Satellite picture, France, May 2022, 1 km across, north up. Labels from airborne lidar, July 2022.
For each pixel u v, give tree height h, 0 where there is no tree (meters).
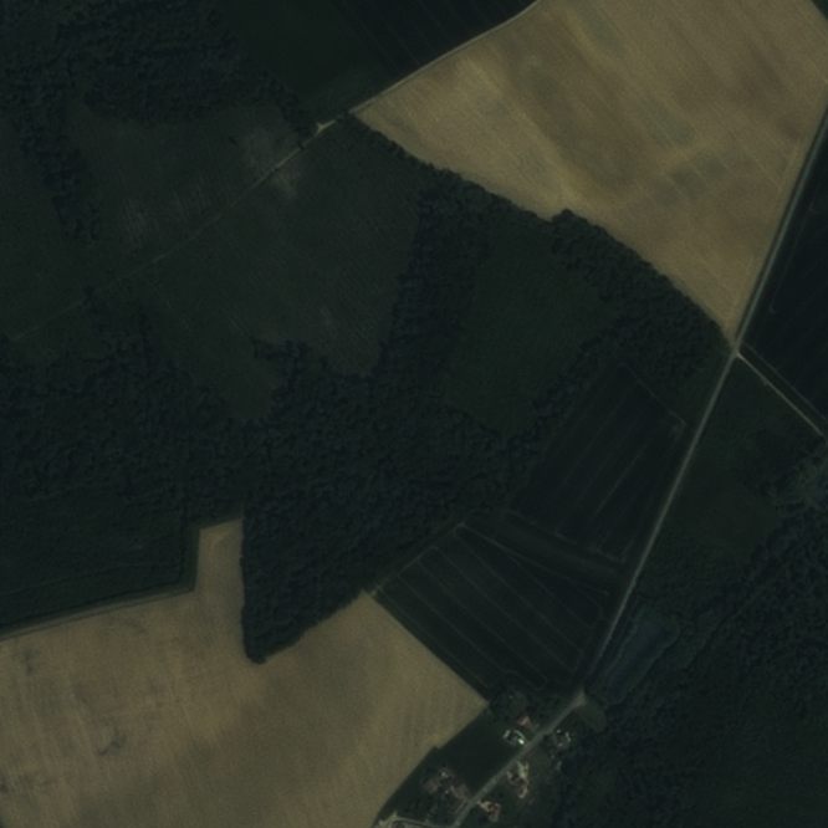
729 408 8
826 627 11
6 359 23
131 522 10
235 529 0
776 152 0
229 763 0
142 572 6
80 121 0
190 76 25
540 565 0
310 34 0
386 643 0
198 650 0
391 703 0
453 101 0
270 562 27
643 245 0
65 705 0
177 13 31
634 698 23
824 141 0
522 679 0
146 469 25
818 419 0
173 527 10
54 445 24
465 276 24
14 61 18
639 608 16
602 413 0
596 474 0
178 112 23
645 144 0
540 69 0
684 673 21
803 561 28
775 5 0
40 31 20
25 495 11
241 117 0
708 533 0
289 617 20
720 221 0
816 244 0
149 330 24
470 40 0
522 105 0
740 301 0
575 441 0
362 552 27
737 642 21
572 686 0
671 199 0
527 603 0
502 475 26
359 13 0
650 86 0
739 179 0
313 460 25
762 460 7
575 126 0
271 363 20
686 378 20
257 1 0
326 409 28
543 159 0
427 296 26
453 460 27
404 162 22
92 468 25
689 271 0
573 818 17
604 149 0
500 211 16
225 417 21
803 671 26
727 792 7
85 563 8
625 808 6
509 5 0
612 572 0
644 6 0
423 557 0
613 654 13
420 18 0
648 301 23
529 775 0
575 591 0
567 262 11
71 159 26
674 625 19
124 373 24
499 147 0
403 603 0
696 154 0
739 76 0
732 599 17
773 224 0
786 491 22
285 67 0
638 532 0
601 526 0
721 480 0
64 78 25
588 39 0
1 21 13
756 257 0
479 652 0
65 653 0
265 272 0
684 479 0
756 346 0
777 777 6
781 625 24
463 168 0
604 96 0
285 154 0
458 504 21
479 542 0
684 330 21
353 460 27
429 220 25
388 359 18
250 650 20
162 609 0
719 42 0
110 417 24
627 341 16
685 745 11
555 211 0
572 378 11
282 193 0
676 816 21
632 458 0
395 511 29
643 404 0
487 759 0
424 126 0
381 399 25
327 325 0
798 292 0
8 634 0
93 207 26
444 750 0
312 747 0
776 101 0
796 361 0
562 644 0
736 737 6
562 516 0
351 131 12
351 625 0
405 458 25
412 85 0
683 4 0
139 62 25
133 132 0
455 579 0
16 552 6
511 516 0
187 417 26
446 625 0
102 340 29
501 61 0
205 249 6
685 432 0
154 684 0
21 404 26
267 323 0
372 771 0
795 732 7
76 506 8
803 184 0
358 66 0
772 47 0
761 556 18
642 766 18
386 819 0
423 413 30
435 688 0
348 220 0
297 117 25
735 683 12
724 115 0
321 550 25
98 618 0
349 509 27
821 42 0
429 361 23
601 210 0
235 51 26
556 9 0
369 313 6
